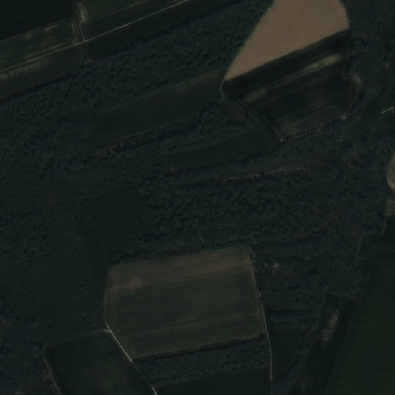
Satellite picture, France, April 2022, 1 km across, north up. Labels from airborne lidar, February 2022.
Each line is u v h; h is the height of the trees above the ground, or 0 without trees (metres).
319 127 0
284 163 0
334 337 0
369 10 25
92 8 0
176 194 26
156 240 24
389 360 0
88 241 10
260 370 0
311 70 0
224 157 0
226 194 29
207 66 28
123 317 0
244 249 0
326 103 0
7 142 26
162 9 0
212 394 0
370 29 26
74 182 14
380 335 0
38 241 28
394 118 0
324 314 0
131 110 0
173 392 0
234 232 24
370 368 0
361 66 26
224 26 26
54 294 13
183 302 0
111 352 0
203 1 0
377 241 0
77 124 29
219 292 0
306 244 23
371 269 0
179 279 0
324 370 0
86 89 19
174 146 23
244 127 13
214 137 20
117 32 0
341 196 22
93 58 0
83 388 0
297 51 0
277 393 21
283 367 0
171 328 0
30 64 0
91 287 10
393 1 25
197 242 24
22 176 19
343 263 21
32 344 29
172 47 25
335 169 29
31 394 24
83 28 0
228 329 0
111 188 9
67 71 0
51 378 0
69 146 26
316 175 27
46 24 0
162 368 19
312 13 0
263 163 22
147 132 0
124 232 6
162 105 0
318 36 0
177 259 0
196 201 22
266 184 23
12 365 23
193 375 14
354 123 20
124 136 0
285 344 0
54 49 0
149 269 0
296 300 17
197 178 24
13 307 10
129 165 15
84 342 0
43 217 16
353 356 0
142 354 0
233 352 10
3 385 21
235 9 25
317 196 25
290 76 0
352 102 0
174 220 23
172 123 0
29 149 24
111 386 0
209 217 26
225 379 0
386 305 0
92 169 15
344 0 18
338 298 0
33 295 10
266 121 0
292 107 0
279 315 18
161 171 23
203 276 0
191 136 29
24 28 0
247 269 0
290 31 0
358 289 8
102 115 0
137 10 0
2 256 22
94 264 9
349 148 31
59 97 25
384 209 8
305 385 0
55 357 0
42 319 24
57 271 16
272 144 0
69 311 13
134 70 29
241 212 28
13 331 22
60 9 0
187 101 0
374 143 35
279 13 0
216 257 0
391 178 0
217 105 14
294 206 16
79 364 0
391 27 0
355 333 0
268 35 0
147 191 20
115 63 21
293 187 23
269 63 0
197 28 24
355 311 0
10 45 0
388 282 0
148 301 0
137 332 0
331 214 28
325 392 0
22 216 22
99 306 12
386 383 0
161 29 0
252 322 0
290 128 0
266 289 23
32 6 0
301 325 16
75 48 0
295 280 10
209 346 0
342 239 26
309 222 31
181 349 0
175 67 31
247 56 0
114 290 0
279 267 0
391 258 0
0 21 0
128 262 19
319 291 27
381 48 20
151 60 25
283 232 24
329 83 0
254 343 7
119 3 0
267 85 0
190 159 0
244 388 0
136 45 14
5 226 25
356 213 25
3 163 30
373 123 0
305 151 22
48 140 28
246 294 0
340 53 0
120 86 25
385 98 0
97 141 0
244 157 0
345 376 0
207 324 0
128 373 0
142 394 0
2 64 0
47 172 19
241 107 0
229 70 0
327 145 24
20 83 0
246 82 0
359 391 0
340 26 0
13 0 0
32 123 24
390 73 0
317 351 0
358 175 18
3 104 19
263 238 23
